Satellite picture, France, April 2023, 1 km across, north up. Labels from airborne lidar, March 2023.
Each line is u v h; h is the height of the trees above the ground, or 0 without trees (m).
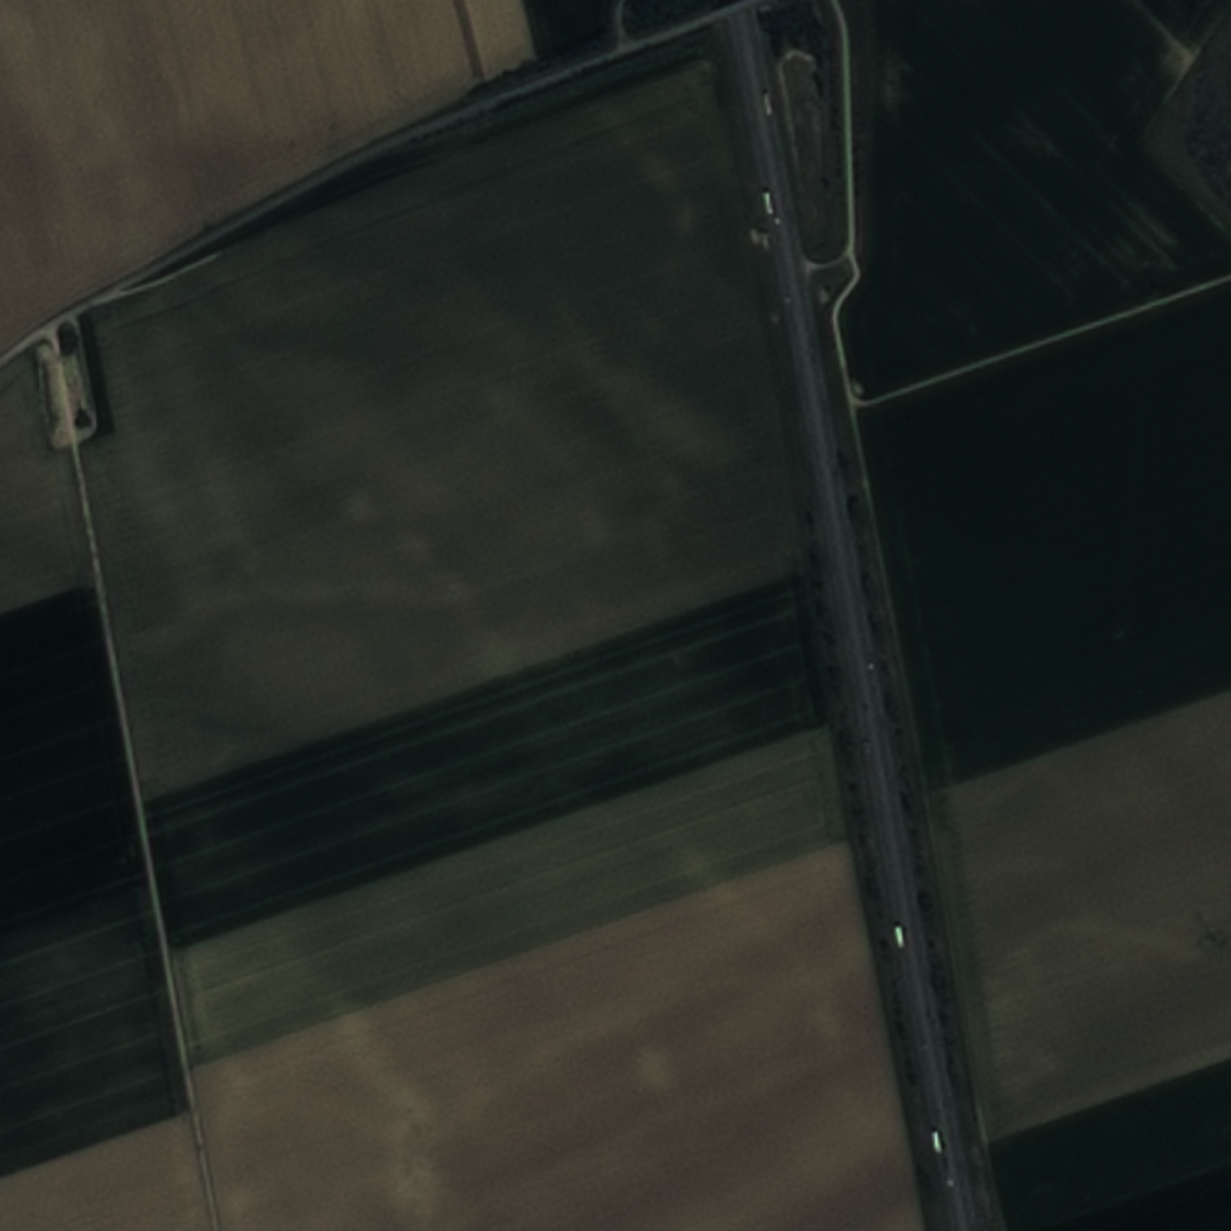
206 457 0
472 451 0
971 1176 0
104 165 0
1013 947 0
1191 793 0
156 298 0
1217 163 10
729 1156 0
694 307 0
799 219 0
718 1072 0
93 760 0
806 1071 0
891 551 0
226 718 0
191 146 0
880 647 8
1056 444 0
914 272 0
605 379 0
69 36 0
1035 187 0
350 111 0
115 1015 0
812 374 0
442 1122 0
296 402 0
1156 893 0
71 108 0
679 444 0
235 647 0
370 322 0
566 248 0
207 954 0
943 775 0
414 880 0
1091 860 0
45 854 0
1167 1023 0
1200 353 0
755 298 0
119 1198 0
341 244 0
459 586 0
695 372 0
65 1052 0
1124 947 0
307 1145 0
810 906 0
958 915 0
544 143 0
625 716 0
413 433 0
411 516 0
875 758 0
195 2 0
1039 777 0
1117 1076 0
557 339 0
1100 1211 0
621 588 0
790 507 0
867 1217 0
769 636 0
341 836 0
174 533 0
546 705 0
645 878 0
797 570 0
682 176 0
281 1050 0
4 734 0
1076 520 0
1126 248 0
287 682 0
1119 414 0
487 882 0
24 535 0
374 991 0
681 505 0
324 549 0
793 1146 0
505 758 0
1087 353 0
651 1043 0
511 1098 0
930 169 0
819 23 10
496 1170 0
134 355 0
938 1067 0
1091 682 0
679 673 0
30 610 0
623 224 0
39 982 0
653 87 0
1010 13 0
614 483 0
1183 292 0
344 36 0
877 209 0
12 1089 0
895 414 0
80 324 0
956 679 0
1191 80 0
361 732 0
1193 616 0
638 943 0
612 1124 0
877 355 0
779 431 0
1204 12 0
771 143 0
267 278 0
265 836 0
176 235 0
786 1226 0
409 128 0
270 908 0
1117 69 0
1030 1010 0
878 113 0
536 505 0
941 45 0
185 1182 0
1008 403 0
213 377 0
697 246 0
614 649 0
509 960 0
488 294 0
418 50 0
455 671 0
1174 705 0
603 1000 0
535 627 0
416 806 0
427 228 0
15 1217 0
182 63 0
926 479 0
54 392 0
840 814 0
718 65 0
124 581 0
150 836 0
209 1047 0
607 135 0
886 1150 0
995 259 0
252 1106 0
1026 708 0
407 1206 0
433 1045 0
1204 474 0
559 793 0
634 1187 0
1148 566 0
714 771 0
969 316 0
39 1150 0
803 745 0
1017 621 0
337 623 0
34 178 0
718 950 0
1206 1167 0
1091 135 0
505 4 0
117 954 0
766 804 0
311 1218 0
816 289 0
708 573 0
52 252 0
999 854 0
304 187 0
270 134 0
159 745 0
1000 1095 0
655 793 0
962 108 0
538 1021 0
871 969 0
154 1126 0
